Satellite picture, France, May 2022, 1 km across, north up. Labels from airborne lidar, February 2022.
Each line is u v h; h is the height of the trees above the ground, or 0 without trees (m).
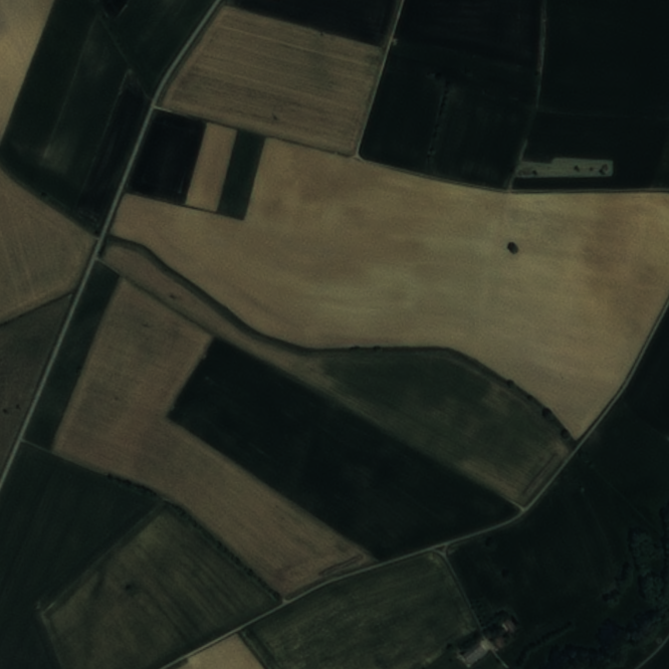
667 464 0
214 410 0
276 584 0
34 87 0
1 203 0
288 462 0
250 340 0
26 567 0
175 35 0
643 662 0
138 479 0
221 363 0
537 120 0
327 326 0
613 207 0
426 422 0
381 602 0
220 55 0
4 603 0
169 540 0
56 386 0
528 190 0
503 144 0
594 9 0
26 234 0
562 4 0
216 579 0
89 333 0
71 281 0
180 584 0
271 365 0
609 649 34
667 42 0
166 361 0
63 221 0
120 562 0
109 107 0
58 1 0
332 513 0
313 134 0
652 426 0
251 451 0
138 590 0
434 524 0
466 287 0
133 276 0
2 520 0
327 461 0
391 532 0
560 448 0
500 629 21
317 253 0
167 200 0
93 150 0
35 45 0
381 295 0
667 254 0
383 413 0
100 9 0
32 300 0
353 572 0
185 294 0
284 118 0
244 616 0
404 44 0
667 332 0
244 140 0
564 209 0
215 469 0
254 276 0
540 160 0
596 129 0
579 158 0
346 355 0
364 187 0
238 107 0
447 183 0
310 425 0
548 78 0
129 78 0
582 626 0
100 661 0
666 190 0
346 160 0
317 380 0
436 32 0
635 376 0
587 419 0
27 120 0
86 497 0
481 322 0
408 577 0
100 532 0
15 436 0
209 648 0
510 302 0
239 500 0
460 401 0
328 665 0
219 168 0
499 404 0
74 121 0
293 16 0
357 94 0
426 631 0
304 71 0
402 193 0
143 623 0
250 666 0
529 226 0
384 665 0
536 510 0
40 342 0
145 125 0
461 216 0
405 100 0
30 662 0
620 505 0
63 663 0
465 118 0
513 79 0
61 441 0
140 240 0
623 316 0
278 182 0
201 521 0
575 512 0
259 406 0
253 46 0
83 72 0
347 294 0
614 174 0
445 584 0
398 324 0
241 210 0
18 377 0
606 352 0
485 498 0
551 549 0
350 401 0
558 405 0
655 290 0
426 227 0
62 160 0
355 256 0
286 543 0
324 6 0
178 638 0
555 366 0
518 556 0
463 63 0
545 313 0
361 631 0
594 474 0
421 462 0
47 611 0
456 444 0
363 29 0
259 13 0
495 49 0
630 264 0
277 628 0
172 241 0
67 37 0
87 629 0
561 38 0
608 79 0
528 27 0
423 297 0
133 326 0
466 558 0
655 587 19
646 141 0
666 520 19
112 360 0
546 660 0
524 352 0
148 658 0
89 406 0
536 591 0
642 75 0
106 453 0
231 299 0
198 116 0
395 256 0
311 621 0
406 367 0
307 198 0
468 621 0
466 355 0
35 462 0
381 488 0
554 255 0
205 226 0
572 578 0
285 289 0
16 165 0
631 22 0
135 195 0
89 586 0
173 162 0
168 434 0
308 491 0
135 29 0
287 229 0
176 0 0
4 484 0
